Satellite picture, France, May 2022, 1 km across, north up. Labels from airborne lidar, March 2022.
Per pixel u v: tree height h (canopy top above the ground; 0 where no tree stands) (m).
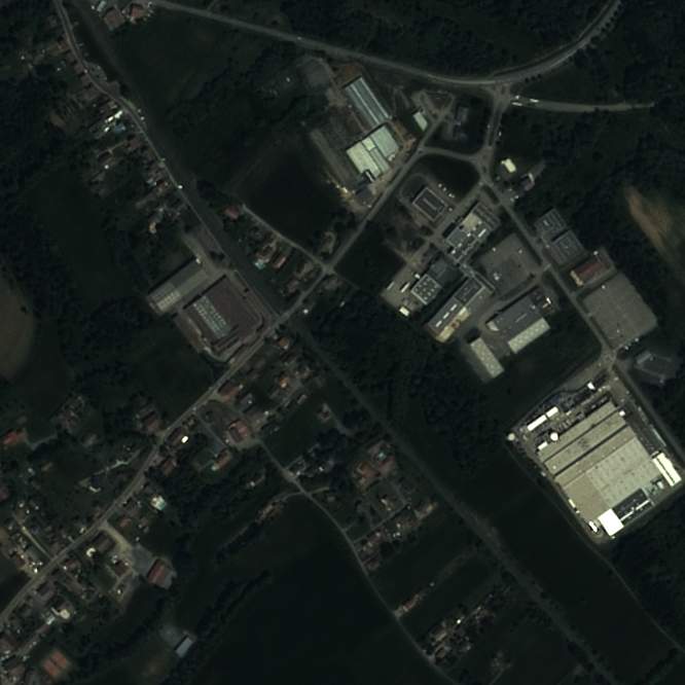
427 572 0
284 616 0
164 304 0
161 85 0
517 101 0
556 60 0
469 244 0
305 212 0
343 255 0
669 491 0
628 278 18
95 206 0
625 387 0
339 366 16
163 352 0
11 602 0
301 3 17
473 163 0
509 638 0
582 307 0
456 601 0
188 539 19
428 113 0
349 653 0
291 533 0
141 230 0
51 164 16
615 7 0
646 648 0
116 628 0
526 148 0
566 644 0
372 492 0
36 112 18
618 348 0
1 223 16
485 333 0
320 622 0
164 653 0
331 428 0
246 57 0
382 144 0
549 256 0
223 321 0
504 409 0
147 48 0
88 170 11
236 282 0
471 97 0
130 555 0
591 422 0
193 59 0
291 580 0
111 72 0
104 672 20
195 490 6
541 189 17
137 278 26
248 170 0
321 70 0
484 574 0
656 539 7
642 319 0
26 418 0
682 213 0
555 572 0
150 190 7
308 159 0
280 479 18
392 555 17
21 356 0
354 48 16
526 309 0
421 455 0
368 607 0
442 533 0
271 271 0
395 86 0
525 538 0
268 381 0
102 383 18
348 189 0
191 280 0
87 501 0
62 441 13
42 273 13
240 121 0
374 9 0
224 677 0
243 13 0
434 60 11
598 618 0
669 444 0
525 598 0
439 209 0
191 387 0
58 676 0
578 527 0
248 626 0
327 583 0
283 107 0
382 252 0
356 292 0
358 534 0
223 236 0
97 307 0
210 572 0
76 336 8
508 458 0
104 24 0
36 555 0
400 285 0
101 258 0
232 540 0
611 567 0
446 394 24
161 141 0
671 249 0
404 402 15
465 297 0
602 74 21
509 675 0
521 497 0
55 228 0
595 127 22
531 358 0
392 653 0
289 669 0
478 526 0
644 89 24
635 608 0
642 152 16
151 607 0
